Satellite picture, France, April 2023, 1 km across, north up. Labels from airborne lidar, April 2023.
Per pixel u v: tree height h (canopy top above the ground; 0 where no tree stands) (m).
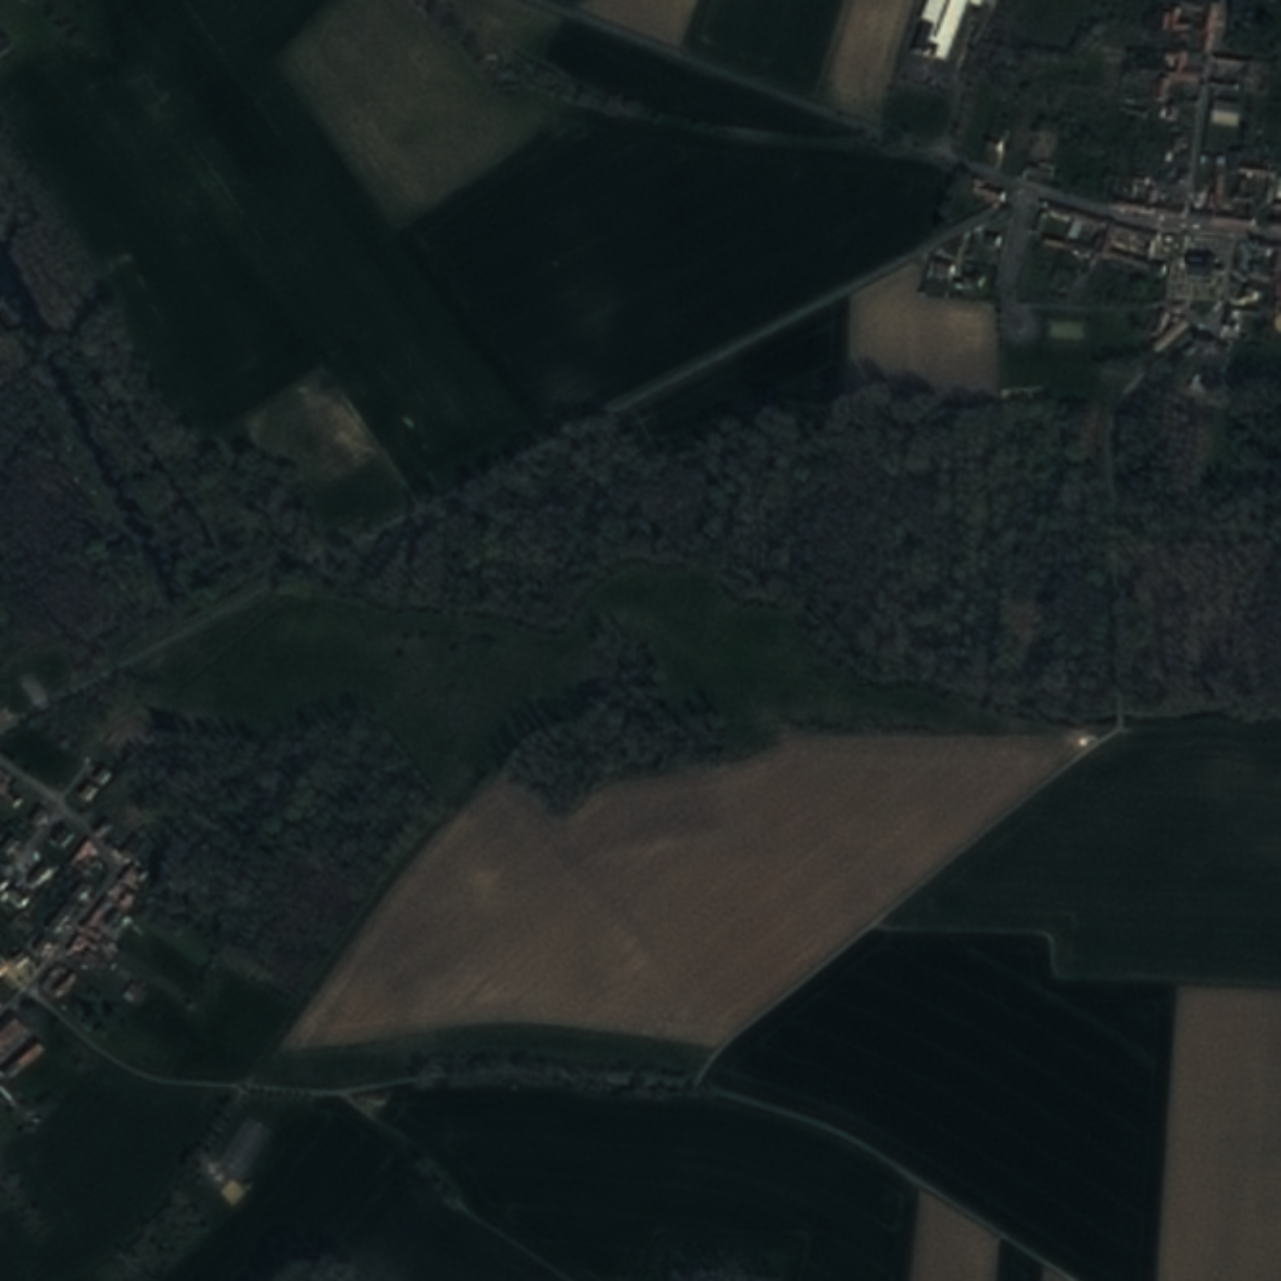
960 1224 0
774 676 0
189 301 0
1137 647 34
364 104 0
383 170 0
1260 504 34
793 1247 0
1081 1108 0
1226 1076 0
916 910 0
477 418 0
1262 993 0
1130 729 0
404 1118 0
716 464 22
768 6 0
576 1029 0
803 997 0
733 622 0
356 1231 0
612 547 34
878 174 0
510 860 0
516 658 0
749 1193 0
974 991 0
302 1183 0
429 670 0
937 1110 0
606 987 0
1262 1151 0
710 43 0
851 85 0
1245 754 0
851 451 33
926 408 31
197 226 0
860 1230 0
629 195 0
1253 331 0
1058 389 0
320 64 0
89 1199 0
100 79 0
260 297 0
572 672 0
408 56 0
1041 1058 0
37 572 25
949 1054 0
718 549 31
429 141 0
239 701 0
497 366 0
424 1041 0
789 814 0
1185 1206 0
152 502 9
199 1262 0
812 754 0
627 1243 0
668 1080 7
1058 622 26
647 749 35
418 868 0
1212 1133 0
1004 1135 0
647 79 0
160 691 14
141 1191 0
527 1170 0
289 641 0
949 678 28
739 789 0
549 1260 0
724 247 0
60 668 0
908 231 0
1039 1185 0
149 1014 0
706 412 0
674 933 0
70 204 0
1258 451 25
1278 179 0
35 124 0
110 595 25
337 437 0
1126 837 0
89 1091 0
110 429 6
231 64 0
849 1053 0
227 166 0
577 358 0
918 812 0
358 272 0
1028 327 0
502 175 0
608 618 0
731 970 0
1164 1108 0
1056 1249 0
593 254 0
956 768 0
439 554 37
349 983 0
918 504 20
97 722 14
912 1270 0
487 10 0
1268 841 0
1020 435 16
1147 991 0
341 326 0
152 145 0
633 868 0
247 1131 0
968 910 0
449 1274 0
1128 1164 0
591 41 0
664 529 7
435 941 0
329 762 17
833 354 0
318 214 0
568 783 31
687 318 0
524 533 28
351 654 0
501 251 0
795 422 35
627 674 15
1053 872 0
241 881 29
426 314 0
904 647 32
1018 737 0
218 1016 0
